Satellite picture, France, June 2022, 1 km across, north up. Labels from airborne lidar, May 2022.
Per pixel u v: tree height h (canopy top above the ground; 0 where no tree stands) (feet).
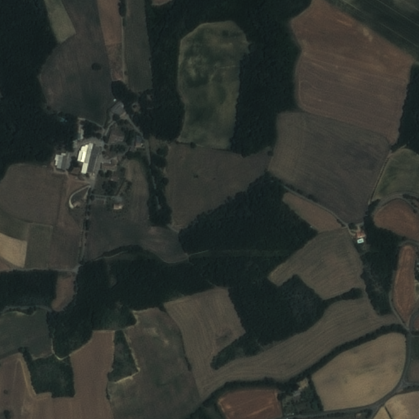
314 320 39
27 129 81
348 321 0
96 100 0
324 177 0
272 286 59
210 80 0
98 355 0
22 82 45
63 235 0
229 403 0
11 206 0
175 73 25
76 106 0
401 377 0
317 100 0
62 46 0
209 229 59
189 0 45
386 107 0
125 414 0
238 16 33
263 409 0
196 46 0
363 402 0
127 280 55
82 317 57
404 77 0
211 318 0
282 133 0
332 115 0
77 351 0
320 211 0
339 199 0
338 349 32
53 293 44
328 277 0
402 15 0
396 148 37
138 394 0
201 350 0
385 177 0
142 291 56
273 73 86
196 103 0
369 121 0
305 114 0
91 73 0
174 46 33
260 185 50
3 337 0
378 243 62
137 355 0
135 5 0
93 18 0
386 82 0
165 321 0
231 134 0
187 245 50
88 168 0
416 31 0
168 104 41
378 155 0
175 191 0
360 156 0
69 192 0
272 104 67
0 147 73
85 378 0
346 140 0
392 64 0
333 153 0
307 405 23
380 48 0
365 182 0
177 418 0
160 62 39
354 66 0
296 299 53
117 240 0
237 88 0
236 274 51
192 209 0
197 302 0
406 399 0
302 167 0
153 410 0
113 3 0
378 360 0
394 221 0
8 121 93
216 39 0
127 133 35
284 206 45
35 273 35
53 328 27
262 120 70
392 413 0
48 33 44
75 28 0
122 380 0
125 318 25
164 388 0
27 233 0
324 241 0
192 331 0
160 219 38
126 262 32
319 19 0
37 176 0
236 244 47
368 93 0
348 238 0
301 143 0
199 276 52
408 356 0
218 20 21
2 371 0
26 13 61
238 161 0
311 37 0
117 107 0
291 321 46
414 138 36
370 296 38
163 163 79
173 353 0
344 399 0
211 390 0
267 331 52
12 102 50
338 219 26
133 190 0
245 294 58
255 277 24
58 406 0
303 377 35
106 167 0
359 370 0
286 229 48
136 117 48
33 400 0
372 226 61
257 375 0
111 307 43
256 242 45
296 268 0
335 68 0
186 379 0
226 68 0
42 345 0
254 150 57
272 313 49
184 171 0
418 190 0
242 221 75
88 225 40
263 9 69
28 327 0
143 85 0
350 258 0
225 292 0
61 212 0
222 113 0
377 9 0
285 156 0
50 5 0
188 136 0
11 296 53
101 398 0
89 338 23
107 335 0
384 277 58
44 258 0
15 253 0
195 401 0
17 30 59
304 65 0
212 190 0
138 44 0
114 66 0
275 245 55
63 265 0
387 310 24
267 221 56
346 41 0
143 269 43
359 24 0
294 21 0
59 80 0
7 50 52
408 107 44
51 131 67
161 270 34
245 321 29
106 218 0
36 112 68
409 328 0
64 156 0
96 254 0
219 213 43
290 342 0
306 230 46
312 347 0
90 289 41
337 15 0
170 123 72
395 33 0
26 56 56
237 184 0
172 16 67
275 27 72
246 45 0
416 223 0
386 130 0
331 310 0
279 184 49
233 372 0
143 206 0
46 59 25
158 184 32
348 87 0
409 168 0
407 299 0
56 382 20
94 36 0
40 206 0
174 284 47
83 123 56
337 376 0
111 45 0
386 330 47
